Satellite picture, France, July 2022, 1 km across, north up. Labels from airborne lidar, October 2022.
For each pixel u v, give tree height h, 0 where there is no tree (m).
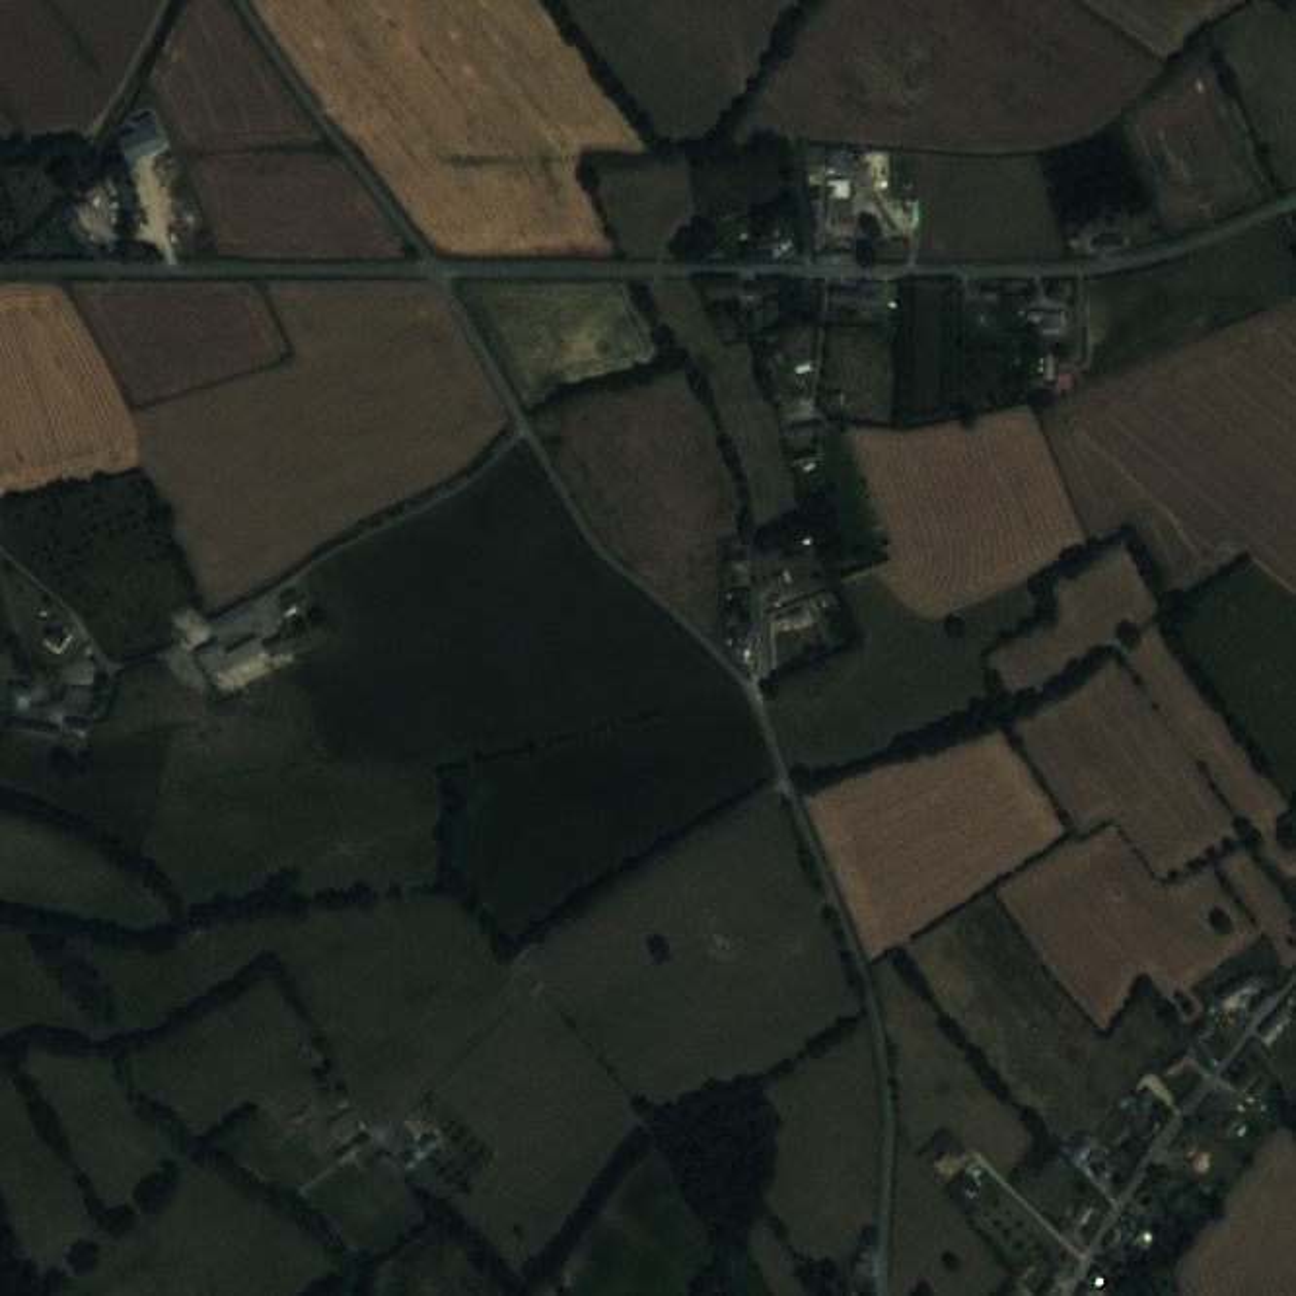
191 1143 25
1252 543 0
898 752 12
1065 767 0
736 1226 16
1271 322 0
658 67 0
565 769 0
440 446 0
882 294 0
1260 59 0
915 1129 0
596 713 0
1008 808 0
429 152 0
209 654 0
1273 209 0
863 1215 0
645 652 0
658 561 0
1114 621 0
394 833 0
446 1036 0
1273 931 0
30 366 0
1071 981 0
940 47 0
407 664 0
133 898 0
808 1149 0
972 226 0
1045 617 16
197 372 0
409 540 0
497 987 0
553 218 0
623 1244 0
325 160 0
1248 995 0
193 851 0
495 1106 0
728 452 13
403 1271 0
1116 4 0
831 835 0
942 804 0
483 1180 0
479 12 0
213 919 12
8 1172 0
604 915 0
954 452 0
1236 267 0
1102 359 0
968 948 0
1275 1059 0
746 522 14
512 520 0
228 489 0
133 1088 23
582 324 0
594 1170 0
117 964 0
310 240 0
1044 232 0
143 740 0
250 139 0
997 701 16
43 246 0
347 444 0
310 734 0
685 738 0
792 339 0
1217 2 0
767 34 0
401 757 0
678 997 0
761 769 0
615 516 0
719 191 0
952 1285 0
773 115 0
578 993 0
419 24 0
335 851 0
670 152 17
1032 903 0
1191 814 0
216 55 0
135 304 0
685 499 0
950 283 6
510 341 0
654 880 0
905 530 0
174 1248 0
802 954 0
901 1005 0
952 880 0
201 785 0
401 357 0
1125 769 0
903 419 7
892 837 0
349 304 0
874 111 0
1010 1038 0
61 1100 0
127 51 0
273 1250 0
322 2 0
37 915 16
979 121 0
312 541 0
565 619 0
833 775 12
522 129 0
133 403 0
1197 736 0
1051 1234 0
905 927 0
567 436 0
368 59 0
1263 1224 0
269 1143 0
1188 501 0
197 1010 12
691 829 7
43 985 0
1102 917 0
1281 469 0
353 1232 0
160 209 0
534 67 0
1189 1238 10
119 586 0
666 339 16
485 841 0
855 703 0
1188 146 0
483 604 0
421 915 0
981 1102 0
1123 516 0
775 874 0
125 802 0
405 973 0
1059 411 0
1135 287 0
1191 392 0
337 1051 0
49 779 0
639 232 0
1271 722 0
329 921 0
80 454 0
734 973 0
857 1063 0
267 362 0
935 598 0
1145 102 0
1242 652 0
